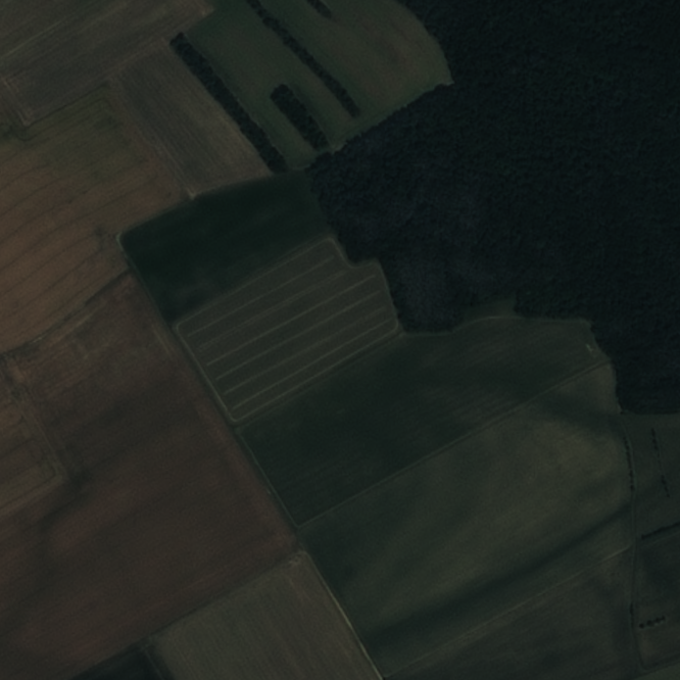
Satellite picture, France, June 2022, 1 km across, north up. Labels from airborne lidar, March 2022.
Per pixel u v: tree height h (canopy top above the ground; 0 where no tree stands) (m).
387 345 0
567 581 0
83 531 0
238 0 0
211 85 13
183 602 0
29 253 0
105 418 0
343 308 0
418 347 0
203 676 0
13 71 0
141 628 0
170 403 0
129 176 0
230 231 0
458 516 0
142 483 0
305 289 0
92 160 0
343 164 14
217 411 0
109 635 0
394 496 0
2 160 0
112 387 0
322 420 0
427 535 0
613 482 0
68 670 0
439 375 0
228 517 0
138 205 0
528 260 18
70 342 0
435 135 15
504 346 0
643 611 0
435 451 0
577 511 0
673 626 0
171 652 0
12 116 0
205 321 0
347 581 0
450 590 0
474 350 0
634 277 20
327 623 0
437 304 16
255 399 0
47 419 0
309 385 0
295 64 0
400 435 0
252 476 0
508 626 0
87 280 0
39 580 0
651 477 0
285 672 0
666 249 19
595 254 15
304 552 0
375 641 0
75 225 0
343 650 0
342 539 0
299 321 0
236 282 0
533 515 0
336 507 0
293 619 0
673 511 0
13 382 0
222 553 0
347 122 0
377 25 0
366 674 0
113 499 0
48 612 0
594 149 20
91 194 0
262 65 0
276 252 0
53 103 0
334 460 0
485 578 0
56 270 0
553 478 0
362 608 0
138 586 0
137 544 0
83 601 0
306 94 0
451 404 0
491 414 0
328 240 0
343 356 0
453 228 18
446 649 0
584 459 0
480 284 16
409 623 0
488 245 20
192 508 0
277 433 0
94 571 0
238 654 0
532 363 0
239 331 0
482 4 17
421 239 24
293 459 0
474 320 0
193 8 0
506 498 0
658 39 0
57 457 0
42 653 0
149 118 0
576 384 0
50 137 0
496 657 0
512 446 0
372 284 0
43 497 0
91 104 0
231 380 0
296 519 0
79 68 0
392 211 23
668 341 20
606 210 23
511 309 0
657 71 18
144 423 0
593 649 0
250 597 0
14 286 0
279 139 0
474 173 19
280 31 13
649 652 0
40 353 0
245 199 0
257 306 0
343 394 0
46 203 0
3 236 0
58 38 0
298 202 0
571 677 0
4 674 0
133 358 0
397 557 0
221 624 0
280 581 0
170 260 0
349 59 0
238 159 0
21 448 0
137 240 0
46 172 0
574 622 0
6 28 0
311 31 0
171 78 0
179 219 0
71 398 0
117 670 0
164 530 0
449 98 15
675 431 0
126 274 0
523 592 0
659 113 24
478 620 0
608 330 17
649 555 0
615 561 0
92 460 0
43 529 0
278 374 0
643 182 20
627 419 0
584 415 0
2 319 0
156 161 0
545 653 0
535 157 18
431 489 0
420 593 0
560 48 20
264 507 0
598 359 0
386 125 10
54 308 0
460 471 0
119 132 0
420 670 0
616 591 0
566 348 0
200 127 0
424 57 0
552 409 0
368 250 15
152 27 0
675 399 16
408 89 0
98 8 0
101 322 0
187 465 0
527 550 0
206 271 0
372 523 0
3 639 0
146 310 0
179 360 0
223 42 0
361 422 0
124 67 0
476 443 0
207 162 0
